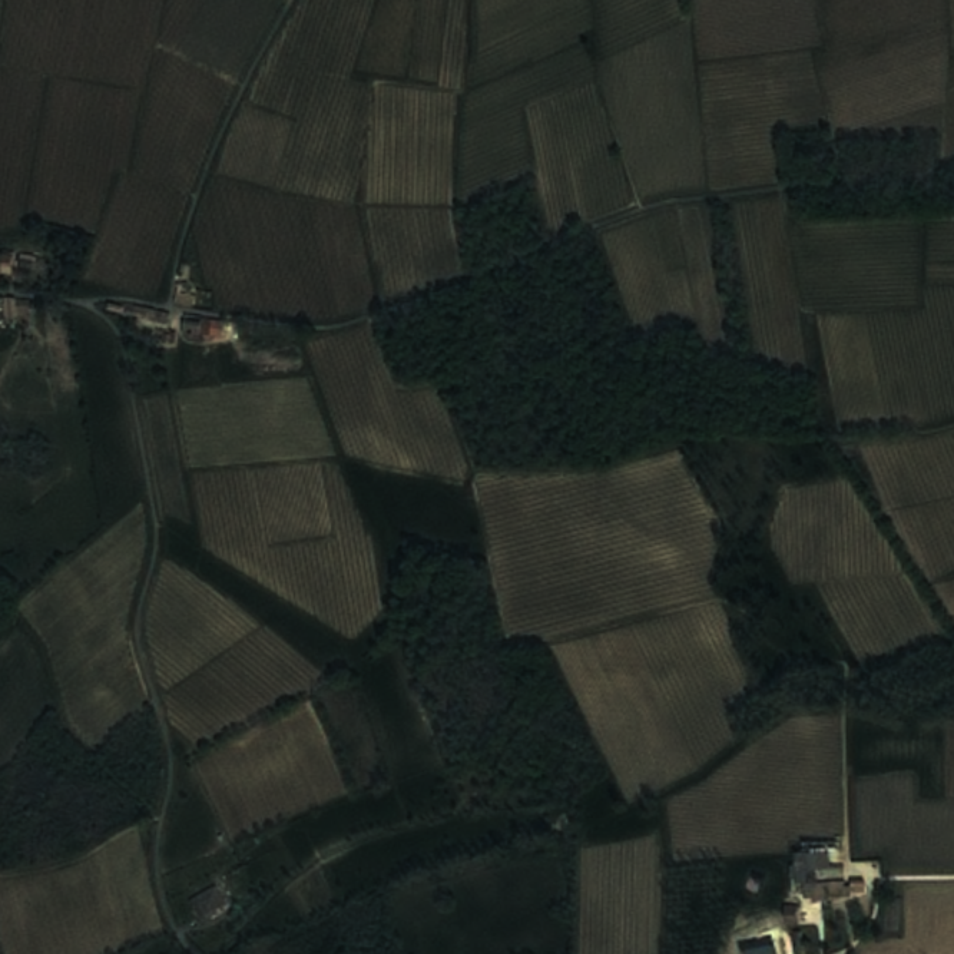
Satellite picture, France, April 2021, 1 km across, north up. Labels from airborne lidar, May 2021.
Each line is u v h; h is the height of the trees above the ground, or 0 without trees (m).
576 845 12
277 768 0
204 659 0
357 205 0
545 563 0
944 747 0
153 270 0
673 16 0
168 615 0
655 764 0
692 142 0
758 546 22
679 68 0
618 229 0
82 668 0
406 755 0
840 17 0
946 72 0
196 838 0
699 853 0
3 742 0
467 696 10
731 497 15
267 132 0
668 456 0
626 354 19
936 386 0
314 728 0
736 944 0
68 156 0
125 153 0
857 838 0
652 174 0
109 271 0
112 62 0
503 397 16
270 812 0
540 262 17
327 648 0
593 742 20
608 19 0
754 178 0
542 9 0
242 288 0
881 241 0
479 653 17
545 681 18
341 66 0
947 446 0
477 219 19
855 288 0
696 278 0
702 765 0
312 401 0
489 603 15
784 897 0
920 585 13
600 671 0
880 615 0
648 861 0
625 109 0
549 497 0
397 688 0
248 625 0
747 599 19
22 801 6
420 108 0
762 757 0
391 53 0
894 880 11
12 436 9
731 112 0
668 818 0
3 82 0
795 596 0
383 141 0
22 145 0
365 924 7
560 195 0
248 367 0
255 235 0
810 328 0
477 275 16
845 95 0
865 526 0
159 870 0
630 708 0
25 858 12
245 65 0
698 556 0
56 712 9
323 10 0
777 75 0
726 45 0
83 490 0
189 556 0
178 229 0
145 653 0
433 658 20
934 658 17
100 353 0
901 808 0
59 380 0
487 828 0
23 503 0
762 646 27
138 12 0
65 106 0
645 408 21
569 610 0
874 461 0
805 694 31
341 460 0
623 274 0
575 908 14
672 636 0
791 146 18
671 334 23
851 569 0
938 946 0
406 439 0
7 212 0
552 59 0
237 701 0
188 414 0
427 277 0
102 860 0
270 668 0
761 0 0
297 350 0
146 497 0
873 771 0
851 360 0
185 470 0
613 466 17
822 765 0
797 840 0
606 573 0
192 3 0
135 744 16
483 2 0
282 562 0
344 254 0
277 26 0
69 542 0
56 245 10
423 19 0
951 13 0
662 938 0
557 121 0
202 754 9
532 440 15
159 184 0
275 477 0
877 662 0
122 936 0
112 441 0
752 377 22
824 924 0
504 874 0
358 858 0
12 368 0
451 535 0
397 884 13
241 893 0
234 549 0
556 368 23
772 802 0
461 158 0
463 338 18
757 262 0
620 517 0
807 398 17
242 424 0
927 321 0
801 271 0
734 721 24
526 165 0
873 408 0
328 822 0
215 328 0
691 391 17
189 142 0
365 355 0
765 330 0
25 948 0
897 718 33
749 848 0
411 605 23
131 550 0
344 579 0
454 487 0
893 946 0
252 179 0
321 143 0
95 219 0
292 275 0
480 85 0
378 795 17
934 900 0
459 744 21
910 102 0
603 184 0
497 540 0
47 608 0
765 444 13
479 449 18
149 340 14
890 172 18
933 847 0
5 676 0
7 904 0
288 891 0
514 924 0
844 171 19
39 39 0
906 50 0
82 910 0
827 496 0
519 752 22
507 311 21
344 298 0
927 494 0
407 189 0
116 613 0
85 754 9
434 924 0
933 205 19
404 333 15
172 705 0
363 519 0
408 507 0
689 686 0
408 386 12
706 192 0
